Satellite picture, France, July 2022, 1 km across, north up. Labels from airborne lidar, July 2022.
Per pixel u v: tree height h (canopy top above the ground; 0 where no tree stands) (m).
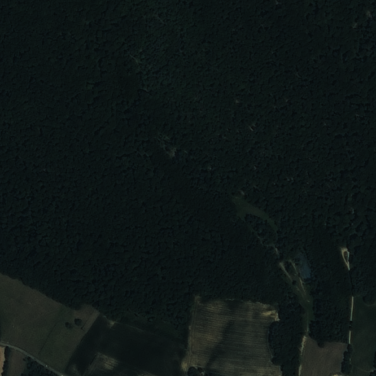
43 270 28
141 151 34
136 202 31
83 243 28
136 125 24
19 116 25
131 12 19
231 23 25
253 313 0
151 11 16
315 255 24
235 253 31
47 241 32
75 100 28
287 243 27
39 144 22
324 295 20
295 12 33
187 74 25
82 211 30
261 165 28
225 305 0
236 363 0
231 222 22
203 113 26
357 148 29
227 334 0
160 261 28
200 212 25
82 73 28
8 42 27
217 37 25
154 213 27
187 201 20
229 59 24
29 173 30
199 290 22
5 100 26
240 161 29
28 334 0
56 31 24
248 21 29
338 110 29
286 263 8
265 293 28
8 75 30
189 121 24
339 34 34
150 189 28
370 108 30
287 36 29
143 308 31
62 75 31
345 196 30
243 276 24
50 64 26
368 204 29
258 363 0
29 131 25
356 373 0
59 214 30
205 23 27
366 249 31
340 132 24
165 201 30
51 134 15
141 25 16
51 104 29
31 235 15
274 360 15
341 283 23
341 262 18
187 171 23
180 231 26
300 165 27
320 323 21
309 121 26
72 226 26
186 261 26
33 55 26
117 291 29
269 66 25
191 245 30
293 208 28
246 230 27
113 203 29
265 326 0
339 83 32
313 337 21
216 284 24
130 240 28
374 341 0
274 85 24
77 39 29
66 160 29
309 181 29
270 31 26
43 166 24
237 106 25
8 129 23
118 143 29
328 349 0
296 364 28
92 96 25
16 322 0
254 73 26
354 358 0
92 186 27
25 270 28
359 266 27
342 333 12
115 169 27
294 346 31
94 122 28
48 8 24
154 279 28
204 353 0
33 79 26
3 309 0
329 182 30
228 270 26
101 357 0
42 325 0
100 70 24
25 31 26
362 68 30
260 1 32
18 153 28
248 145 28
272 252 28
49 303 0
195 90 25
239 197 22
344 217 28
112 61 24
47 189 29
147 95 32
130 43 17
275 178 30
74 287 28
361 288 28
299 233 22
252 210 0
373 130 30
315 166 28
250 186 31
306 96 29
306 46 31
